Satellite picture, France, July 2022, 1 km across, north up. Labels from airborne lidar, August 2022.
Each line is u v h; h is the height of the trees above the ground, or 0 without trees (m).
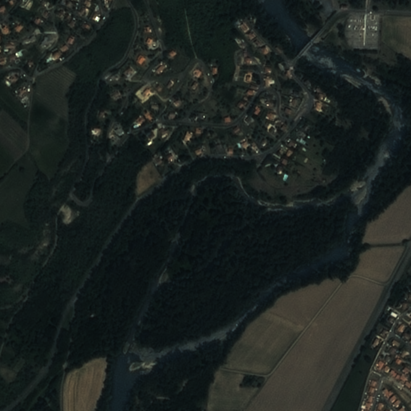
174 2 6
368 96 28
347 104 8
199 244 27
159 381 13
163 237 32
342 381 0
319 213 16
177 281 22
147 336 29
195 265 33
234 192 26
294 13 25
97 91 12
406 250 0
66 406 0
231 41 7
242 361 0
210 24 6
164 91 0
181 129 10
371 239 0
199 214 25
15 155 0
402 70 8
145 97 0
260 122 7
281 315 0
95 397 0
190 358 35
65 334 19
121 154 13
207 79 0
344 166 13
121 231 15
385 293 0
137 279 30
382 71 12
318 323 0
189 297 14
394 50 0
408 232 0
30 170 0
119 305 30
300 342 0
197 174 16
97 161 9
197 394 10
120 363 0
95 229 17
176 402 11
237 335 15
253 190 10
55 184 7
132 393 15
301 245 17
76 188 16
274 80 0
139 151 8
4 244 6
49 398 27
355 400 0
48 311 15
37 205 13
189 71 0
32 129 0
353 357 0
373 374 0
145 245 40
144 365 0
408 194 0
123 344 15
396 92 25
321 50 0
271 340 0
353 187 0
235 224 25
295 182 0
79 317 15
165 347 18
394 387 0
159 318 26
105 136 8
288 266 9
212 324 23
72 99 11
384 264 0
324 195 6
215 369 16
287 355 0
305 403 0
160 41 0
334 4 0
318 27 7
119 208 11
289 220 26
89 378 0
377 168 0
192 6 7
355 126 11
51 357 0
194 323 13
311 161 0
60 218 14
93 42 8
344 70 0
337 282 0
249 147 7
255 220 20
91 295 17
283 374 0
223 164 8
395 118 0
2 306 7
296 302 0
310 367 0
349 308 0
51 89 0
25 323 15
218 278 20
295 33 0
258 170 8
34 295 18
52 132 0
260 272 7
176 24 7
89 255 18
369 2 0
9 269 12
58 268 13
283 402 0
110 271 35
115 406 0
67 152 8
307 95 0
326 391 0
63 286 19
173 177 20
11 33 6
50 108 0
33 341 7
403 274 0
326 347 0
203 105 0
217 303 18
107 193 17
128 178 15
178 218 23
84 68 6
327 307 0
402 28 0
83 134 7
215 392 0
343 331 0
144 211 25
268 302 18
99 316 19
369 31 0
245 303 22
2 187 0
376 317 0
